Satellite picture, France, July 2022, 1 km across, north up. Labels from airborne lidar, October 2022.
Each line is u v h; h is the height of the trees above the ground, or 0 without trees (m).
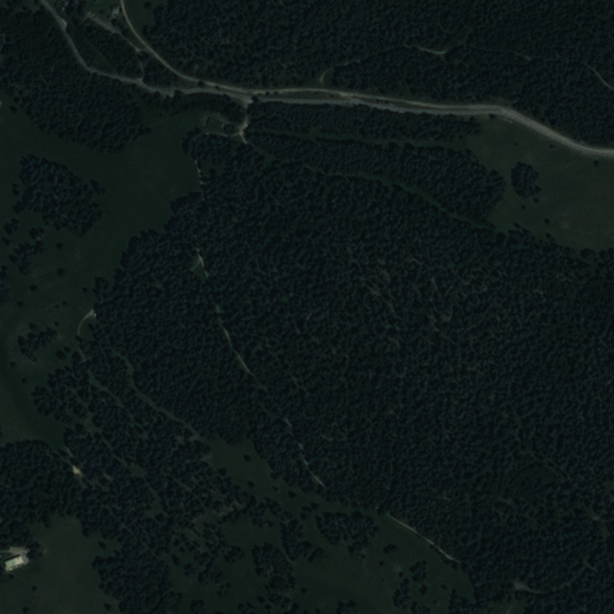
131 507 18
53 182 28
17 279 0
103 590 12
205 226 18
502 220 0
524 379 8
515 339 27
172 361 21
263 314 9
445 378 23
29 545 15
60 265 0
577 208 0
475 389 25
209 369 22
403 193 29
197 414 12
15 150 0
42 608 0
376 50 21
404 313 33
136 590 20
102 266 0
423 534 16
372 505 17
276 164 12
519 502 8
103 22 0
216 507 22
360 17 19
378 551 0
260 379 23
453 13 21
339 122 21
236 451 0
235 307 26
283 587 19
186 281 27
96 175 0
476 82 22
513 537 19
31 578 0
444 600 0
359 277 27
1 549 16
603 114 27
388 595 0
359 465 11
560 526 10
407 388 24
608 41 27
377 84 22
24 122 0
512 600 24
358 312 23
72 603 0
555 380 25
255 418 17
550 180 0
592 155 0
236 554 22
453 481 14
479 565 17
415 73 11
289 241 8
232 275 20
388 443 20
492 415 19
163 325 21
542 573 16
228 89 0
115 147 13
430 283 29
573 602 36
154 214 0
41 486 9
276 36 21
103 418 16
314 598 0
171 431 23
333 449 11
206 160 19
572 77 24
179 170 0
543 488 16
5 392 0
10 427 0
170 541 19
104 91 17
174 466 21
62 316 0
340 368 20
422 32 27
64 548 0
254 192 24
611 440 31
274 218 12
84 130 16
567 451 20
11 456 27
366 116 20
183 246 19
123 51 15
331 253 18
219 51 27
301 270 14
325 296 29
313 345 11
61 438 0
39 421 0
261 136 21
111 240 0
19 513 30
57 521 0
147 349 21
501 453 23
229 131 8
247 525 0
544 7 19
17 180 0
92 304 0
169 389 19
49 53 18
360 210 26
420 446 28
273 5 10
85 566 0
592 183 0
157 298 24
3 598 0
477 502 14
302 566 0
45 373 0
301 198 17
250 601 0
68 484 23
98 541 0
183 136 0
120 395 24
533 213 0
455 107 0
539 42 13
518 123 0
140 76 16
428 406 28
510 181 0
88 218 16
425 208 20
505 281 20
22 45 23
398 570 0
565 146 0
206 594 0
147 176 0
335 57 32
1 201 0
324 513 0
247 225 21
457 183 24
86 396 25
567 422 29
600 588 25
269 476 0
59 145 0
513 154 0
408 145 0
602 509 29
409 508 21
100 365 22
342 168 18
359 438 10
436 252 26
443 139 21
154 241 21
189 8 29
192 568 17
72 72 15
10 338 0
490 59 18
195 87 0
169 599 28
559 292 18
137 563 25
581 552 22
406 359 31
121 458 32
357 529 27
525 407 31
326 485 10
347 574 0
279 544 0
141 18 0
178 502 19
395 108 0
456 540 12
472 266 27
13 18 13
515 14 8
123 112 19
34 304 0
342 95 0
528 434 24
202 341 25
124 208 0
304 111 21
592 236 0
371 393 7
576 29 14
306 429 12
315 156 22
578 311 24
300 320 9
